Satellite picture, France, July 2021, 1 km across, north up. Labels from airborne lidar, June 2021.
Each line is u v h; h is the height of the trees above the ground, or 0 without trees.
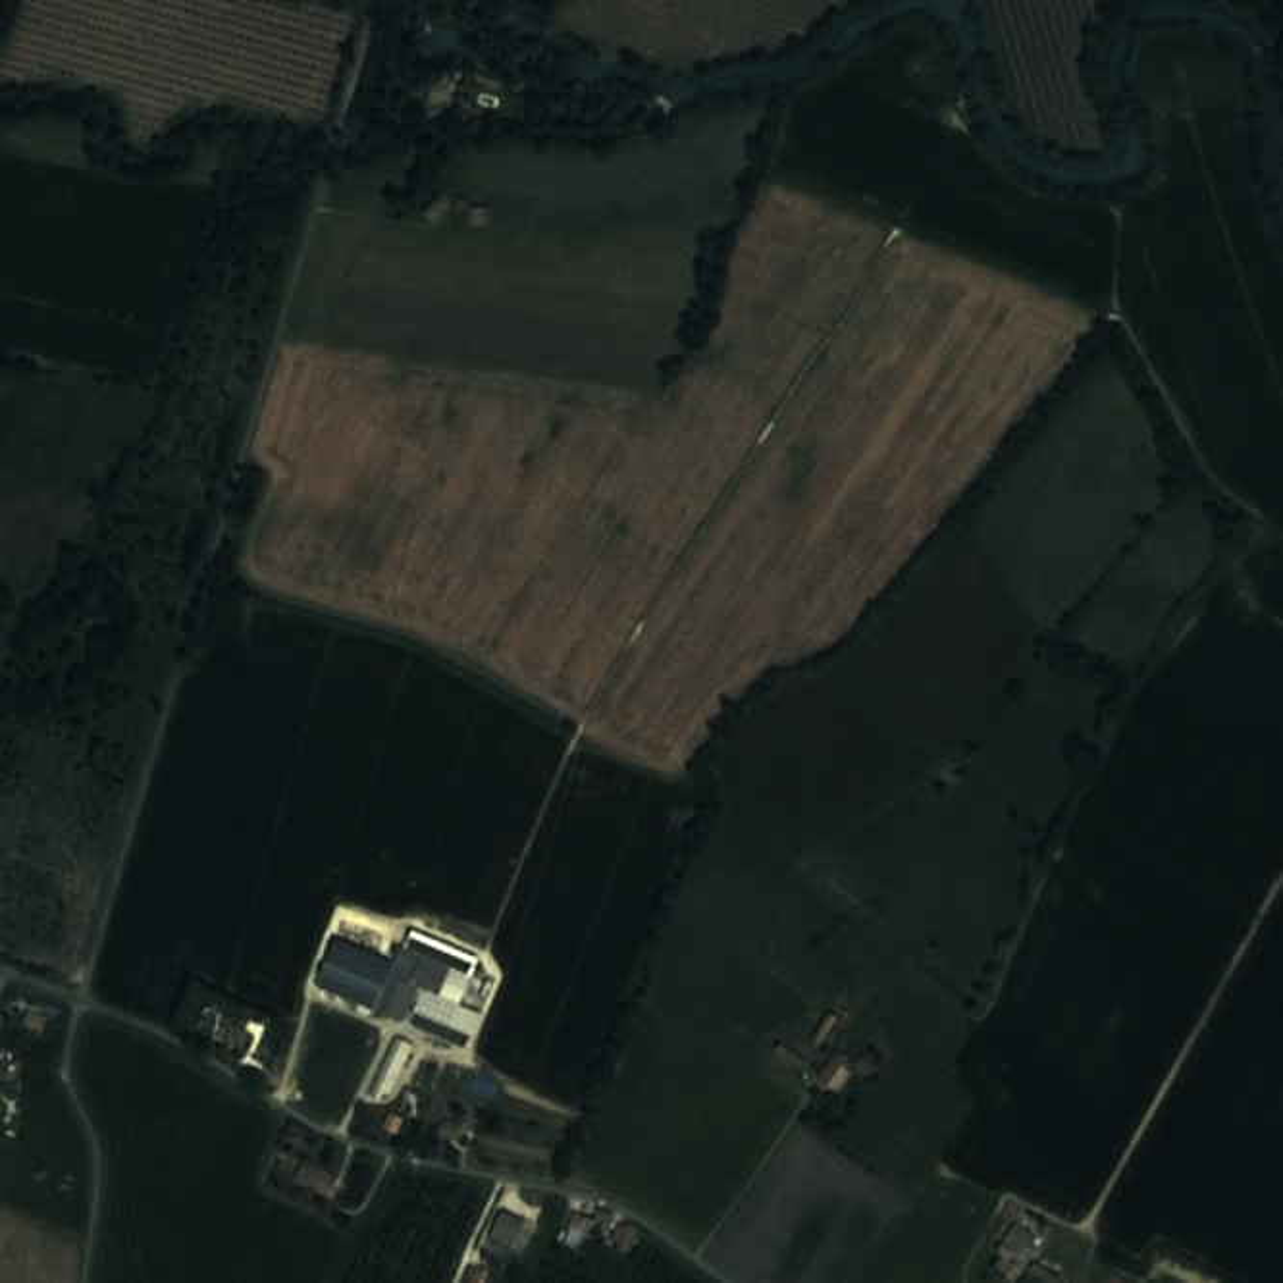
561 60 17
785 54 8
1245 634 0
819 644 0
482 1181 0
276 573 0
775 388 0
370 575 0
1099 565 0
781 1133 0
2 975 0
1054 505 0
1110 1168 0
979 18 13
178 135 11
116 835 0
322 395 0
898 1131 0
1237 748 0
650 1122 0
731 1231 0
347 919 0
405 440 0
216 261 10
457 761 0
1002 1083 0
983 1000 11
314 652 0
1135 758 0
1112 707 18
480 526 0
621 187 0
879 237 0
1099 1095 0
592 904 0
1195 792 0
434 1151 14
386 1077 0
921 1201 0
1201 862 0
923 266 0
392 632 0
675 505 0
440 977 0
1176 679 0
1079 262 0
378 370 0
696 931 0
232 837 0
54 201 0
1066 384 9
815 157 0
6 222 0
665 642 0
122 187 0
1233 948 0
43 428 0
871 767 0
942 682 0
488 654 0
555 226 0
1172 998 0
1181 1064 0
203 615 23
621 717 0
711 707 0
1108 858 0
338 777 0
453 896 0
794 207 0
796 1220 0
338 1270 0
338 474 0
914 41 0
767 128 15
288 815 0
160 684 0
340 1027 0
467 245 0
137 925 0
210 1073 0
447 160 19
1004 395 0
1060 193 8
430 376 0
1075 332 0
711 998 0
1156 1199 0
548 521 0
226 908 0
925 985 0
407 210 10
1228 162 0
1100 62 17
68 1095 0
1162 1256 0
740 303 0
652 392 0
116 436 0
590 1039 0
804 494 0
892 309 0
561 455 0
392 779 0
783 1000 0
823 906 0
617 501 0
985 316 0
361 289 0
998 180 0
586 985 0
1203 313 0
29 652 22
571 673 0
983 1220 0
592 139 11
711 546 0
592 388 0
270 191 13
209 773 0
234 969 0
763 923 0
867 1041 0
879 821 0
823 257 0
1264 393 0
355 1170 11
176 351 7
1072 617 11
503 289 0
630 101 26
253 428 0
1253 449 0
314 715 0
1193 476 12
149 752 0
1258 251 0
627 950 0
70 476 0
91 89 10
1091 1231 0
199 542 16
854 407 0
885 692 0
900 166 0
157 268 0
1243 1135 0
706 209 0
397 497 0
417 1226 6
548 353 0
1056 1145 0
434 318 0
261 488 8
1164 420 16
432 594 0
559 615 0
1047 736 0
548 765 0
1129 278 0
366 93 18
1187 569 0
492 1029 0
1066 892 0
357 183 0
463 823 0
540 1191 0
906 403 0
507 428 0
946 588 0
